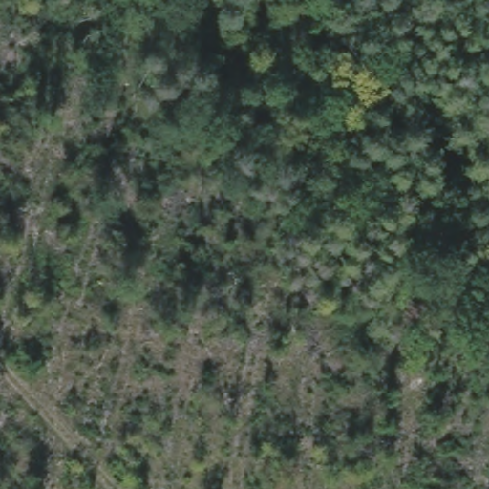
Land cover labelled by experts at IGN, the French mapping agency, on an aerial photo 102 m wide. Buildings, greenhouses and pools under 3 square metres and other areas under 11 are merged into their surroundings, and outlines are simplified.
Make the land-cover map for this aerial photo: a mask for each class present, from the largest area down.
<instances>
[{"label":"deciduous trees","instance_id":"1","mask_svg":"<svg viewBox=\"0 0 489 489\"><path fill-rule=\"evenodd\" d=\"M78 21L69 19L65 23H57L38 13H21L11 6V0H0V376L6 372V361L15 365V371L27 382L36 380V372L46 367V361L52 357L53 332H50V321L52 317H57L61 313L59 304L53 300L61 294V281H69L74 287L88 288L86 300L96 304L101 311L111 300H147L159 313L160 319L172 327L178 319V309H185L187 313H225L227 323L222 329L223 338L235 332H244L248 338H252V332L269 329L271 348L267 350V355L271 359H264L266 371L264 378L258 382L252 415L248 416V422L241 426L243 437L250 439L252 457H258L262 445L269 443L281 455H285V458H296L300 451V441L304 437H311L313 445L323 447L327 453V474L334 479L342 478L346 483L361 485V489H489V258L479 260L474 266L468 260H437L430 252H413L411 246H407L405 254L409 267H401L399 273L405 285L411 287L413 302L407 308L399 309L397 317L393 319V325L401 329H415L424 338L430 336V330H447L449 336L447 348L443 350L445 361L441 365H436L432 371L424 369L426 357L422 353L409 355L403 353L395 342L371 338L369 325L365 321L357 325L355 313L344 315L336 309V302H330L321 294H306L298 275L283 264V235L296 241H315L323 227L344 222L348 214L357 218H369L372 210L378 208V202L361 201L351 197L355 189H359L365 181L372 180L371 172L367 168H350L348 172H342L338 181L334 183V189L329 193L309 191L308 185L311 180L304 176V180L296 181L288 187L290 195L298 199L296 204L287 214H277L275 218H269L266 210H256V199H252L246 193V183L243 180L227 183V174L218 168L216 159L231 151L233 145H237L241 134L229 126V117H216L212 113V103L208 99H199L201 90H191L189 99L181 103L180 111L176 115L180 120L174 126H151V115L159 109V105L149 101L147 97V78L155 73L153 61L157 57H149L147 61H143L139 57L141 38L124 34L118 48H111L105 53L101 71H94L88 65L84 52L74 50L73 36ZM214 0H159L155 6L159 10L160 19L166 23L170 31L176 32L193 29L195 23L201 19L204 8L212 6ZM269 73V78L264 82L267 94L277 86H288L290 90H296V97L285 105L287 113L300 120H308V130L317 138H327L334 132H340L342 124L348 122L351 107L342 101L344 90L332 86V74L323 80H313L292 61V50L288 48L277 53L269 69H266ZM241 97L244 105L258 107L267 105V94L243 90ZM48 434V424L38 411H34L25 403L21 395H0V489H44L48 476V458L52 453V449L44 443Z\"/></svg>","mask_w":489,"mask_h":489},{"label":"coniferous trees","instance_id":"2","mask_svg":"<svg viewBox=\"0 0 489 489\"><path fill-rule=\"evenodd\" d=\"M159 0H11V6L21 13H38L57 23H65L69 19L78 21L73 36L74 50L84 52L88 65L94 71H101L105 53L111 48H118L124 34L141 38L139 57L143 61H147L149 57H157L153 61L155 73L147 78V97L149 101L159 105V109L151 115V126H174L180 120L176 115L180 111L181 103L189 99L191 90H201L199 99H208L212 103V113L216 117H229V126L241 134L237 145H233L231 151L216 159L218 168L227 174V183L243 180L246 183V193L252 199H256V210H266L269 218H275L277 214H287L296 204L298 199L290 195L288 187L296 181L304 180V176L311 180L308 185L309 191L329 193L334 189V183L338 181L342 172H348L350 168H367L371 172L372 180L365 181L359 189H355L351 197L361 201L378 202V208L372 210L369 218H357L348 214L344 222L323 227L315 241H296L283 235V264L298 275L306 294H321L330 302H336V309L344 315L355 313L357 325L365 321L369 325L371 338L395 342L403 353L409 355L422 353L426 357L424 369L432 371L436 365H441L445 361L443 350L447 348L449 336L447 330H430V336L424 338L415 329H401L393 325V319L397 317L399 309L407 308L413 302L411 287L405 285L399 273L401 267H409L405 254L407 246H411L413 252H430L437 260H468L474 266L479 260L489 258V0H214L212 6L204 8L201 19L195 23L193 29L176 32L170 31L166 23L160 19L159 10L155 6ZM288 48L292 50V61L313 80H323L332 74V86L344 90L342 101L351 107L348 122L342 124L340 132H334L327 138H317L308 130V120H300L287 113L285 105L296 97V90H290L288 86H277L267 94L264 82L269 78V73L266 69H269L277 53ZM243 90L267 94V105L258 107L244 105L241 97ZM88 288L74 287L69 281H61V294L53 300L59 304L61 313L57 317H52L50 321V332H53L52 357L46 361V367L36 372V380L27 382L15 371V365L6 361V372L0 376V395H21L25 403L34 411H38L48 424V434L44 443L52 449V453L48 458V476L44 489H361V485L346 483L342 478L334 479L327 474V453L323 447L313 445L311 437H304L300 441V451L296 458H285V455H281L269 443L262 445L258 457H252L250 439L243 437L241 426L248 422V416L252 415L258 382L264 378L266 371L264 359H271L267 355V350L271 348L269 329L252 332V338H248L244 332H235L223 338L222 329L227 323L225 313H187L185 309H178V319L172 327L160 319L159 313L147 300H111L101 311L96 304L86 300Z\"/></svg>","mask_w":489,"mask_h":489}]
</instances>
